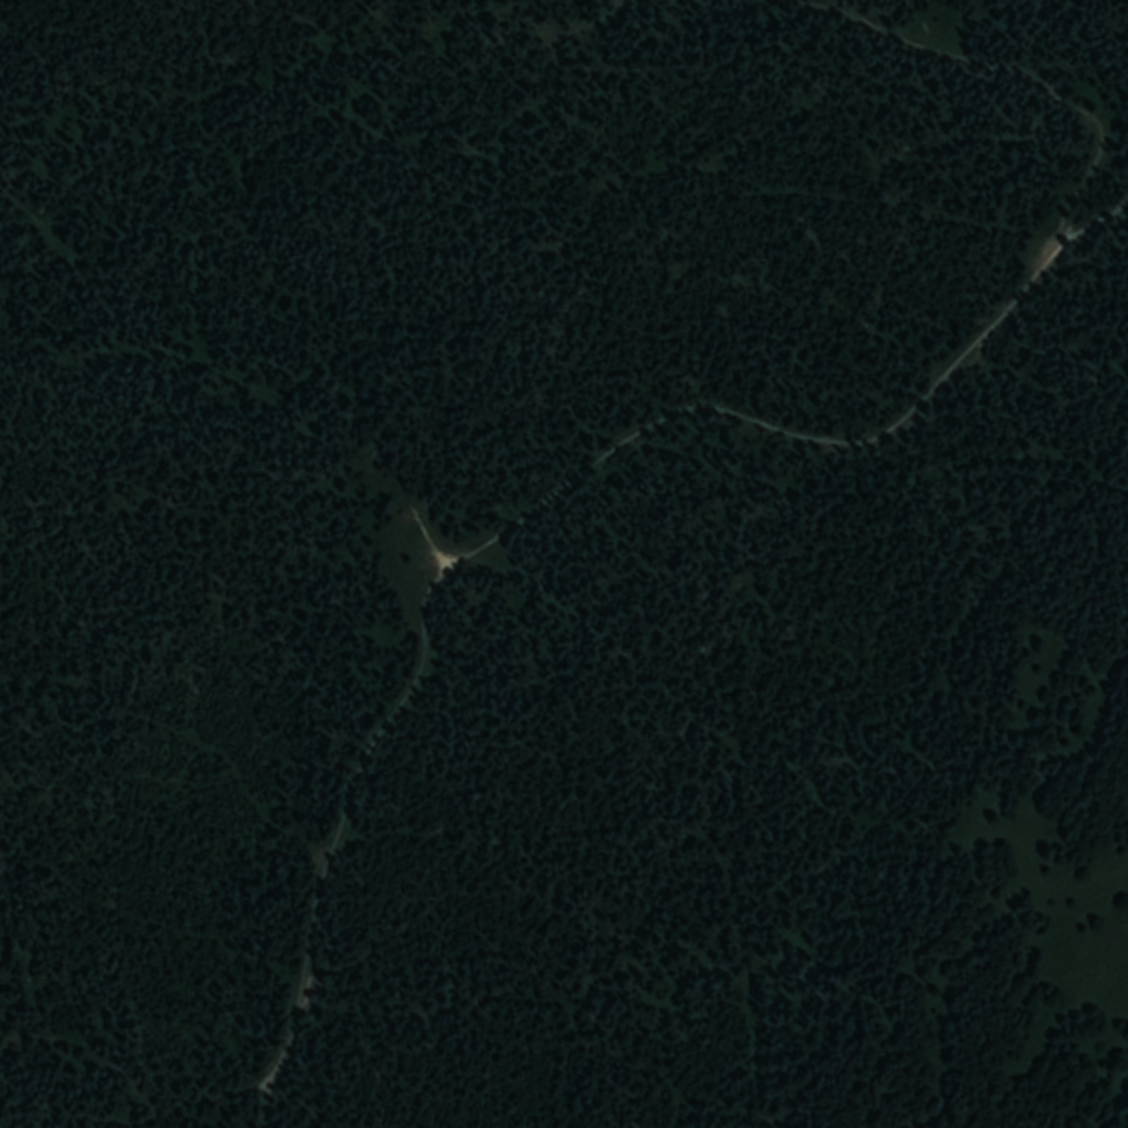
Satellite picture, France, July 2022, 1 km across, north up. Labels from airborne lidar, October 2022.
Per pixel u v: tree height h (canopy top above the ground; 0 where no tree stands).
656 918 16
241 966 7
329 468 20
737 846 9
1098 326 32
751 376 14
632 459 8
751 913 26
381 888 7
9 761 19
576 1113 19
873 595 11
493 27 33
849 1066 22
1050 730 25
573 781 15
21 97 27
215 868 9
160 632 23
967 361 0
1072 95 24
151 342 29
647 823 19
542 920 8
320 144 11
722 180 10
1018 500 32
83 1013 14
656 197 6
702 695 12
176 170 7
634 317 18
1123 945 0
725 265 14
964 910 25
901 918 19
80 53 23
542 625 18
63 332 6
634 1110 20
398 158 28
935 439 13
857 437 9
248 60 15
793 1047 12
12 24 13
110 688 12
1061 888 0
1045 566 23
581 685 9
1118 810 23
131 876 7
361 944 16
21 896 20
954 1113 18
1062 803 18
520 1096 8
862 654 6
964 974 22
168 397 20
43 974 15
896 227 18
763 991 25
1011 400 26
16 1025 24
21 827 9
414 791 7
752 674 17
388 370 9
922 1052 26
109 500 11
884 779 13
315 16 11
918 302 10
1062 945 0
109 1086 23
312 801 19
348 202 29
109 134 20
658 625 21
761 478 29
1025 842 0
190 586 20
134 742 6
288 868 11
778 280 10
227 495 8
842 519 22
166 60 21
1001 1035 19
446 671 19
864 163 8
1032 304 28
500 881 10
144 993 9
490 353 23
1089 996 0
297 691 6
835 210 15
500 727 28
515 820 11
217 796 6
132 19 12
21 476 11
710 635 9
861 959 21
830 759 16
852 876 15
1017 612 20
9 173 19
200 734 8
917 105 25
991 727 6
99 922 12
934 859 13
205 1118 12
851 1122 22
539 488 13
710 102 10
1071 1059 26
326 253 17
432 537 0
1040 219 21
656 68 13
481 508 9
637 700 19
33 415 10
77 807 13
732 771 21
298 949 14
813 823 15
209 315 20
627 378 23
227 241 11
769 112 10
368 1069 11
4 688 13
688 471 7
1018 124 28
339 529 23
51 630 19
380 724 16
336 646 17
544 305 6
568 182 8
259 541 18
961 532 14
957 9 16
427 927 8
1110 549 23
